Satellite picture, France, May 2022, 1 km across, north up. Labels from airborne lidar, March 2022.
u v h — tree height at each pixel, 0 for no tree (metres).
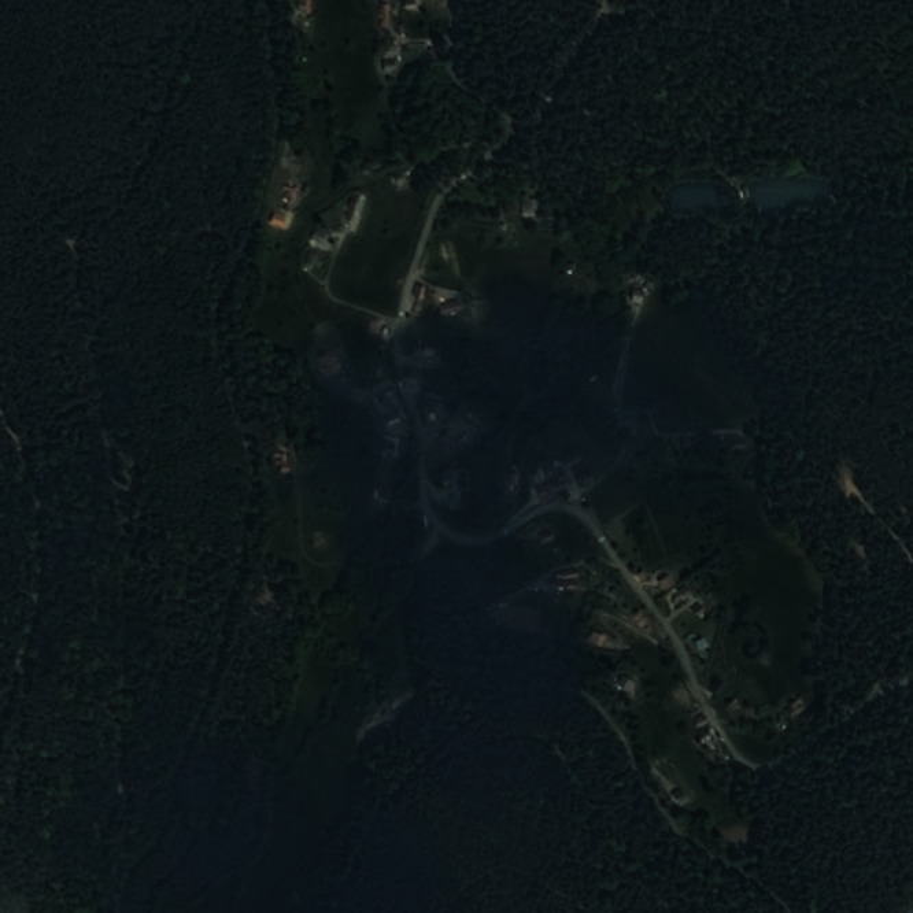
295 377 27
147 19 18
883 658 21
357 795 22
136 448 23
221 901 0
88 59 21
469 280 0
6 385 23
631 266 24
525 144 24
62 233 23
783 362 21
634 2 27
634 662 18
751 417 0
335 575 0
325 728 8
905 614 14
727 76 30
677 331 0
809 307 29
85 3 16
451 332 0
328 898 27
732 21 26
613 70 30
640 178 24
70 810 31
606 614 0
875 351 24
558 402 18
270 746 26
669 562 0
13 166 18
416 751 28
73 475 27
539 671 25
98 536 23
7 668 25
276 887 0
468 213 17
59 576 26
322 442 18
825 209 20
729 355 20
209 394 23
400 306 0
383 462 0
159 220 26
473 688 28
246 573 30
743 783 17
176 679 27
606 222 18
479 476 0
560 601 0
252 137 25
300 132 22
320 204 0
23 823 29
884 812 29
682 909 26
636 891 26
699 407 0
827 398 26
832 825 25
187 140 26
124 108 24
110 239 22
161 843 16
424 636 33
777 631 0
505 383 0
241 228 24
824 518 25
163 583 27
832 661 14
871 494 19
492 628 9
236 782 29
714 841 14
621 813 24
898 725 26
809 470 24
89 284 23
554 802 22
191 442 22
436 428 0
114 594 24
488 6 23
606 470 0
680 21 29
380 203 0
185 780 29
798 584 0
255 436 25
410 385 0
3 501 19
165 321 23
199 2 28
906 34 31
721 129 31
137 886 21
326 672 0
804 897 27
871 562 13
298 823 0
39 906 25
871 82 13
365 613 0
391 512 10
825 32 23
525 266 0
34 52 20
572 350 11
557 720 22
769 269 29
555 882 23
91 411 20
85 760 29
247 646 20
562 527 0
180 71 25
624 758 30
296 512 0
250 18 27
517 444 12
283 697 23
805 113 27
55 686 25
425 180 31
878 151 19
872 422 19
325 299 0
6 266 19
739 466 0
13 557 25
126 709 28
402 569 18
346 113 0
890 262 29
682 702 0
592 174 27
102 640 20
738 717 0
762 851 28
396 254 0
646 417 13
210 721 23
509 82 32
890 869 21
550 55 27
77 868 30
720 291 26
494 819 18
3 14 21
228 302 26
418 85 26
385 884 21
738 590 0
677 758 0
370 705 0
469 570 0
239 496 25
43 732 24
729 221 20
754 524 0
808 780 26
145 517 19
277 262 0
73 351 26
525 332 0
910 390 23
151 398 25
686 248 28
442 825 19
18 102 18
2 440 21
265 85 28
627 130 29
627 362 0
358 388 0
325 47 7
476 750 20
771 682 0
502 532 0
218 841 27
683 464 14
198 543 23
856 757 31
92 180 20
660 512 0
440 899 19
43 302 20
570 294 0
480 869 16
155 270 30
